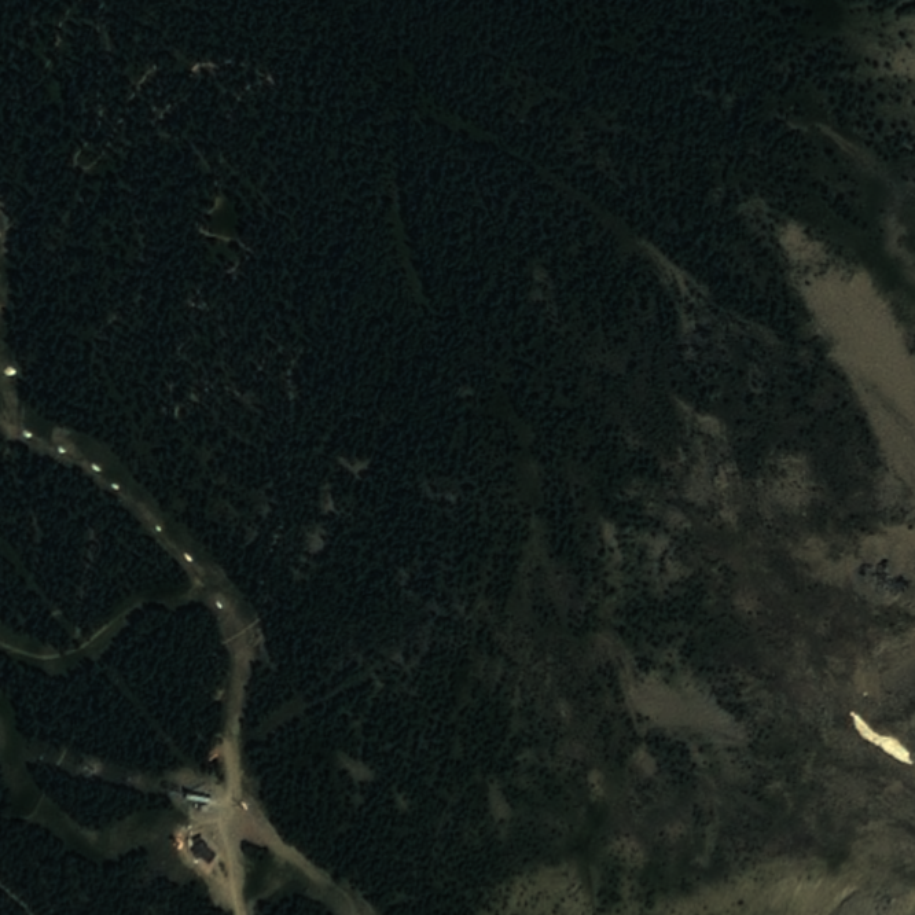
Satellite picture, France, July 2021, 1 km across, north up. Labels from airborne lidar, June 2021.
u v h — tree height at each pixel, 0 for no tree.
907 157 8
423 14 17
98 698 20
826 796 0
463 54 19
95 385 17
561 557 11
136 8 22
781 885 0
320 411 14
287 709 0
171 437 12
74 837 0
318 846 11
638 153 10
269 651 11
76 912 8
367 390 20
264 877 0
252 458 15
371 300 21
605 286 15
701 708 0
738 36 8
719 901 0
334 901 0
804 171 6
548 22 23
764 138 8
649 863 0
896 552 0
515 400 10
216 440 15
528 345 12
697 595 7
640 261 7
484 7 19
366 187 20
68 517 18
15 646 0
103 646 0
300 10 16
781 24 12
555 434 13
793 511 0
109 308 14
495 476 7
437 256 19
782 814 0
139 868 17
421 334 9
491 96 10
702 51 11
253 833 0
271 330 9
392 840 9
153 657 12
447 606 7
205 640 10
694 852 0
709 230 12
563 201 11
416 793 11
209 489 17
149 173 12
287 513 13
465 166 12
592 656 0
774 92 15
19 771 0
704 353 8
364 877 13
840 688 0
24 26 22
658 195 14
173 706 17
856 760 0
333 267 20
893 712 0
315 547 0
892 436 0
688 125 11
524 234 11
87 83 26
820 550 0
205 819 0
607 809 0
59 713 22
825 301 0
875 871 0
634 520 8
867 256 0
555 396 10
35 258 12
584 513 8
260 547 8
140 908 7
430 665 9
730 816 0
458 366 7
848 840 0
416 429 7
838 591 0
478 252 15
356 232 16
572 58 24
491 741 7
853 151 0
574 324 9
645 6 18
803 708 0
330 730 11
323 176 15
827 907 0
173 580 20
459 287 15
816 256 0
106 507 15
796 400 9
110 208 21
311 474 9
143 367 19
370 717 7
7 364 0
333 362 15
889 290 0
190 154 17
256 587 15
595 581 6
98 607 20
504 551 6
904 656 0
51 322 17
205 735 14
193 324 10
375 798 10
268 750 11
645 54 13
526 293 9
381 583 14
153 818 0
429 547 9
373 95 25
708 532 0
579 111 6
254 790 0
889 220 0
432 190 21
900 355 0
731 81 15
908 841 0
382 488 14
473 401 11
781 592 0
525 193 18
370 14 23
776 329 13
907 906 0
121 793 12
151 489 6
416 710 6
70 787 19
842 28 0
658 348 6
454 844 8
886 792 0
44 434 0
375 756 11
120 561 17
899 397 0
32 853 19
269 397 12
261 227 15
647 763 0
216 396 16
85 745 16
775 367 0
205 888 0
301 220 24
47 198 18
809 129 0
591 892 0
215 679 15
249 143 24
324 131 20
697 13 21
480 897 7
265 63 19
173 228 14
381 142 15
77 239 9
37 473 19
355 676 9
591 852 0
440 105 13
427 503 10
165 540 0
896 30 0
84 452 0
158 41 14
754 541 0
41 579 16
